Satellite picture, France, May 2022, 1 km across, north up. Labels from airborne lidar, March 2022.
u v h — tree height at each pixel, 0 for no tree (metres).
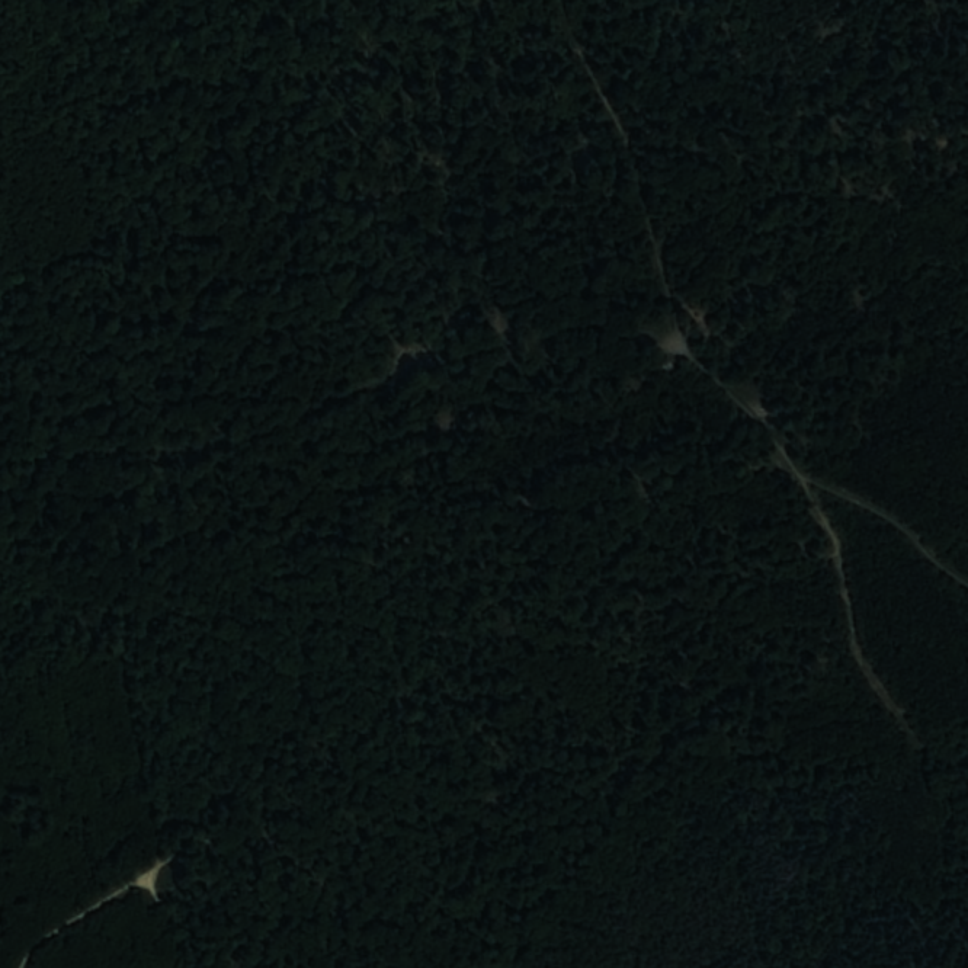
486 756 30
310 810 28
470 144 28
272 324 30
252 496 29
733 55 27
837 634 13
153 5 27
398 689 28
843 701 9
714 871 24
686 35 29
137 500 31
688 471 27
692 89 29
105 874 18
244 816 29
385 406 28
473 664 32
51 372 29
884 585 15
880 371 23
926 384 15
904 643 15
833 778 26
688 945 27
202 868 32
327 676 11
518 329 28
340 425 30
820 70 12
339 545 27
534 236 25
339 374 11
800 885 19
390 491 14
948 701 15
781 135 32
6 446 27
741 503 12
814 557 24
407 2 35
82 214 21
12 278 25
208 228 11
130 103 25
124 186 29
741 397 0
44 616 30
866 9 17
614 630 32
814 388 25
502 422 31
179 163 32
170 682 26
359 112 37
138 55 30
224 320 29
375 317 31
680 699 29
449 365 32
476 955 26
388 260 31
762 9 10
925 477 12
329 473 32
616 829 30
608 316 27
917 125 34
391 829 25
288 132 30
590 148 0
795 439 30
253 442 26
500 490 28
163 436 28
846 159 30
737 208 9
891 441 16
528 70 35
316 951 25
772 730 18
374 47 0
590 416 29
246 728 30
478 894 22
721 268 19
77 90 22
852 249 14
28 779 9
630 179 27
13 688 10
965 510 12
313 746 33
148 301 23
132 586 31
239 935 29
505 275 28
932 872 13
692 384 11
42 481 31
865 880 19
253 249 12
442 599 27
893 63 36
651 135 29
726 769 30
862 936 28
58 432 27
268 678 26
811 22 10
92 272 33
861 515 11
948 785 19
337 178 36
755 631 14
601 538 28
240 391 29
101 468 30
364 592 25
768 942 24
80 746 14
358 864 28
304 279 31
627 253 19
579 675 12
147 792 29
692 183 28
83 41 21
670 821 23
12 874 10
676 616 25
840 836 25
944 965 28
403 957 25
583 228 13
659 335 0
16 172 21
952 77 29
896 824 15
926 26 9
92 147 22
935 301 14
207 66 27
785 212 23
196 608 33
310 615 21
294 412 26
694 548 18
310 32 29
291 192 31
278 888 28
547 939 27
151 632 29
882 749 16
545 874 29
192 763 28
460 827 29
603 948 26
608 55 29
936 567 9
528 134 15
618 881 24
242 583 27
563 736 28
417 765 27
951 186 30
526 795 28
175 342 30
